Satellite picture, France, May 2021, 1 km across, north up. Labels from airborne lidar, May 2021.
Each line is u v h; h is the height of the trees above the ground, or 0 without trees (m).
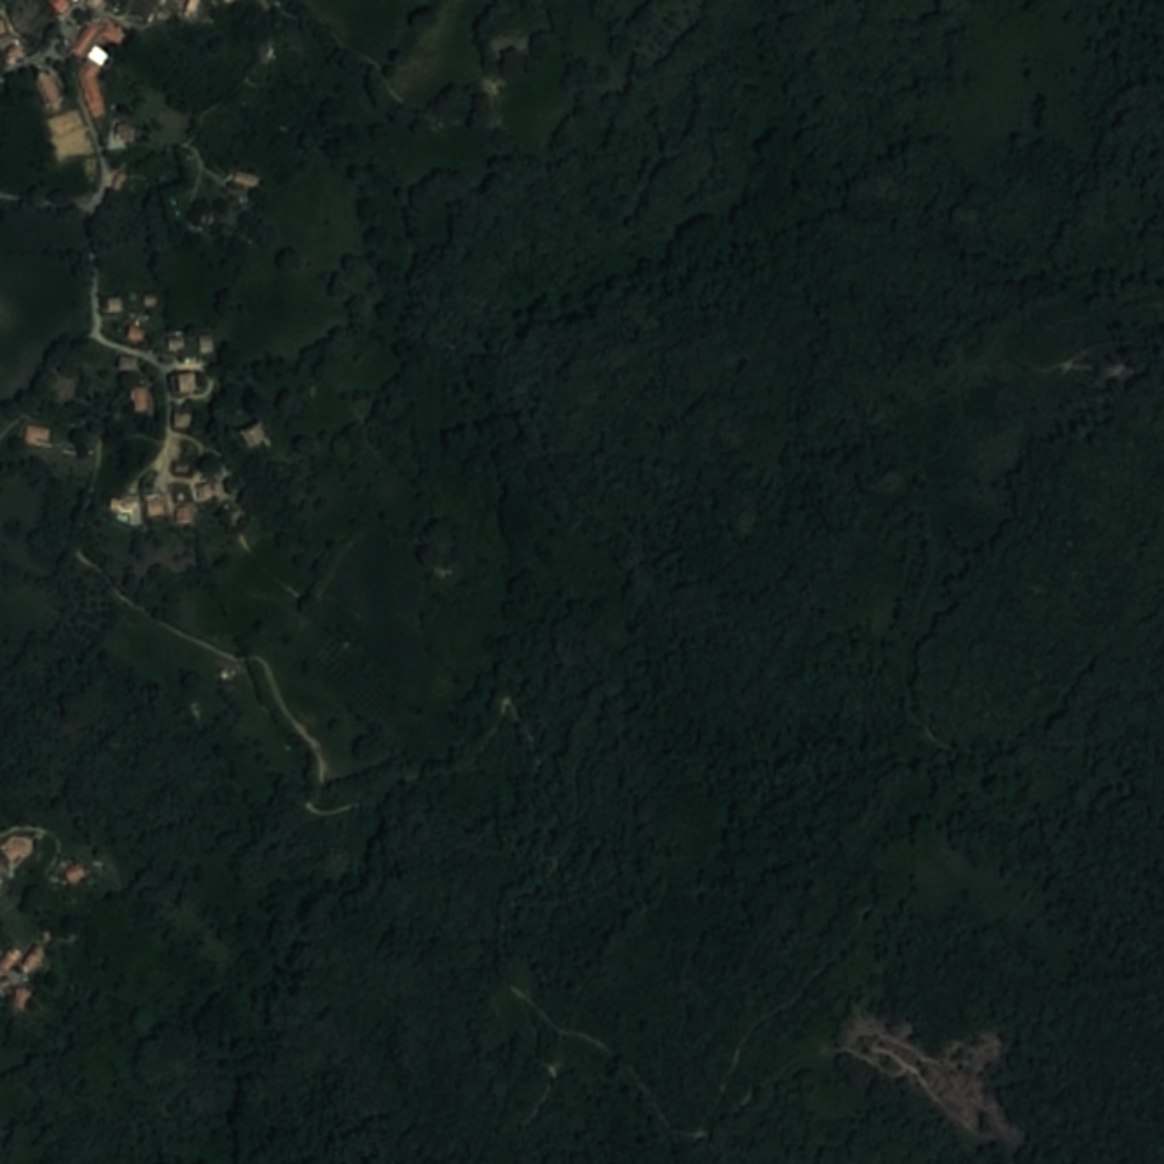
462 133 0
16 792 15
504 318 14
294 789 12
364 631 0
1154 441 8
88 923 7
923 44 15
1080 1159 7
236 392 17
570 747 10
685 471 12
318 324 0
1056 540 8
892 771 15
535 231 15
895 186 16
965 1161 8
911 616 7
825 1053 0
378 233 16
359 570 0
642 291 19
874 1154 11
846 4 15
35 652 15
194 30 6
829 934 9
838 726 9
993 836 12
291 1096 13
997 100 0
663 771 11
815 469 13
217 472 10
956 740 13
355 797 14
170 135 0
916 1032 7
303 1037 21
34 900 16
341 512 0
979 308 8
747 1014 9
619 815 6
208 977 6
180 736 9
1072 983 8
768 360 15
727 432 16
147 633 0
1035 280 11
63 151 0
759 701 12
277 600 0
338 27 0
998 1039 12
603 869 16
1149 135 10
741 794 13
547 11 10
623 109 16
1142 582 10
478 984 9
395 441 13
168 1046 19
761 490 10
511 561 9
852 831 11
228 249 10
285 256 15
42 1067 13
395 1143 13
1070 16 7
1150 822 11
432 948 17
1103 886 10
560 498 13
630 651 10
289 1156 8
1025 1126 10
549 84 0
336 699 0
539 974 10
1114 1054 6
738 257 10
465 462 9
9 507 0
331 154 18
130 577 11
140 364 8
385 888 17
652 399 14
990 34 0
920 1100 13
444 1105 15
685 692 11
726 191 12
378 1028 8
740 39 17
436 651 6
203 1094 21
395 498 0
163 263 18
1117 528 9
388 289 16
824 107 14
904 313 14
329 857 16
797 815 11
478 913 16
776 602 11
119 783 12
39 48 12
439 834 15
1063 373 0
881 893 10
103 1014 6
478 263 13
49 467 10
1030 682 9
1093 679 11
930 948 6
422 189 13
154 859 16
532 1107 8
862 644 19
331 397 0
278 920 21
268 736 0
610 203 14
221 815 10
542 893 14
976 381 0
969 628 11
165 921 13
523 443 20
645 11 14
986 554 11
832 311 14
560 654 13
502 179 18
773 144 24
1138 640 12
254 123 7
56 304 0
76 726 14
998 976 8
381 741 12
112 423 14
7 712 13
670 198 22
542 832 15
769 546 13
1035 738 12
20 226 0
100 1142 8
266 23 9
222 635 0
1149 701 11
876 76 12
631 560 20
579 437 15
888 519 12
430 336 16
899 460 13
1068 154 6
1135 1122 9
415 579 0
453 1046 13
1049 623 7
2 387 0
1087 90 6
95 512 11
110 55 15
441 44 0
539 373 13
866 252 10
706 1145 10
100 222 15
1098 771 11
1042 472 7
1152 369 10
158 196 11
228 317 15
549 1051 8
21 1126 16
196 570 7
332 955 19
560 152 13
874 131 15
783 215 21
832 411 12
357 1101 25
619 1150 6
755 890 11
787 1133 11
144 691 16
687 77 11
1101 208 12
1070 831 13
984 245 12
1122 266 7
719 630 8
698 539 20
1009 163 5
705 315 15
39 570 0
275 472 7
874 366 12
